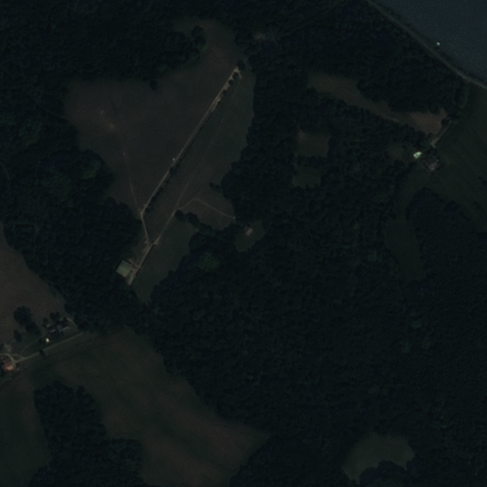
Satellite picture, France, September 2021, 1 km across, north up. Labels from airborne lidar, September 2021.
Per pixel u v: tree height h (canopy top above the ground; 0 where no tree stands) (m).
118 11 20
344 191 32
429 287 20
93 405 15
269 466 28
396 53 11
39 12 25
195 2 25
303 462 24
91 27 28
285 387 30
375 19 8
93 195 27
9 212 21
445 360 24
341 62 29
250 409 23
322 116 26
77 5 30
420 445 29
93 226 27
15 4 24
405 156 0
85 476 20
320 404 25
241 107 0
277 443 23
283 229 27
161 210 0
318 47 25
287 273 22
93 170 24
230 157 0
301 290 20
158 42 24
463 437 20
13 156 10
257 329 19
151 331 26
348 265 8
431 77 27
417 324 29
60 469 26
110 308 26
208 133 0
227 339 29
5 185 12
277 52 23
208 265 34
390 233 0
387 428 28
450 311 27
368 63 11
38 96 9
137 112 0
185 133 0
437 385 27
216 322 30
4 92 18
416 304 23
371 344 21
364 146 14
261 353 20
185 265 21
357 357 22
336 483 12
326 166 17
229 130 0
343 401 24
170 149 0
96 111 0
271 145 24
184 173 0
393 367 28
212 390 28
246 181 24
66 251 26
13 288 0
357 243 21
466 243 19
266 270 9
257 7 21
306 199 24
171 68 21
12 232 15
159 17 23
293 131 29
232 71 0
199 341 26
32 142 7
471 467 27
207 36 0
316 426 25
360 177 11
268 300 24
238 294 27
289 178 28
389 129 10
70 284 18
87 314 22
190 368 23
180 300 26
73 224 30
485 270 18
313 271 22
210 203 0
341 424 30
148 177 0
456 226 20
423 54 11
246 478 29
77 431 27
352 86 0
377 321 25
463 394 24
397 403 31
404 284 17
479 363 24
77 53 30
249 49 13
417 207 18
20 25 27
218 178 0
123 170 0
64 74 22
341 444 29
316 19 10
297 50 21
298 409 30
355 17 20
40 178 30
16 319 13
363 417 27
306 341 22
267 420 23
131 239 13
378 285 22
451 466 29
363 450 0
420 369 23
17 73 21
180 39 17
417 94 26
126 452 20
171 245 0
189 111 0
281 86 21
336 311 31
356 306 24
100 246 32
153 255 0
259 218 21
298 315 21
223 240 19
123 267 0
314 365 27
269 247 19
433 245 18
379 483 29
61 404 27
